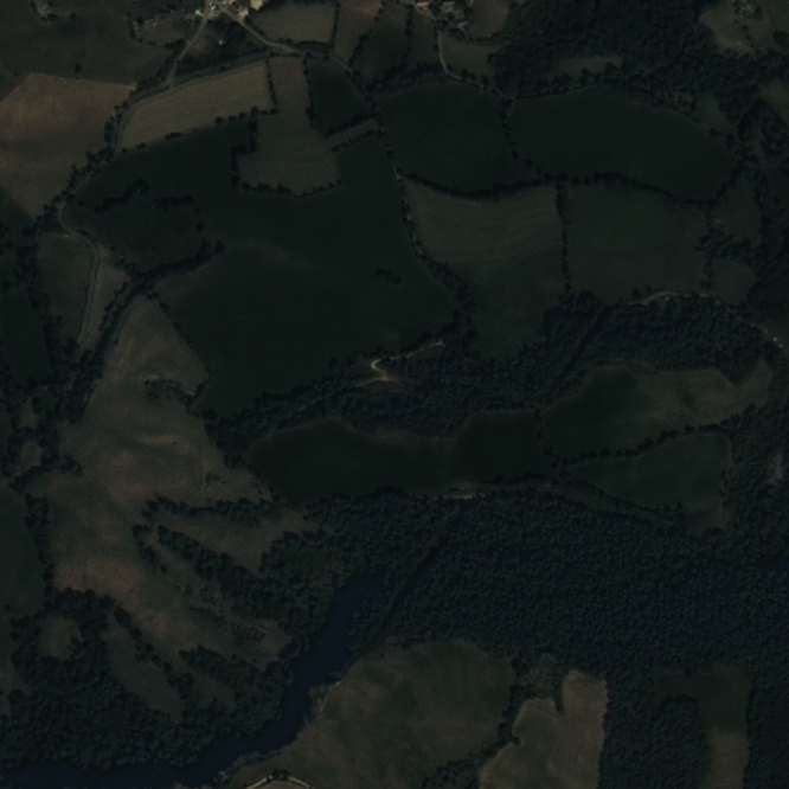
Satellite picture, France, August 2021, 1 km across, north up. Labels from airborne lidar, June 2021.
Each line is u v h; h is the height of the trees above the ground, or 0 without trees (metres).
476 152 0
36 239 19
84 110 0
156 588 0
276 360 0
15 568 0
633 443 0
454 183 0
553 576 21
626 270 0
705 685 0
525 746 0
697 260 0
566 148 0
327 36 0
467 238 0
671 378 0
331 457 0
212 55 0
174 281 0
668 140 0
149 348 0
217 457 0
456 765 7
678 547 17
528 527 12
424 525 12
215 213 0
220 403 0
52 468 11
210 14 0
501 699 0
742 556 13
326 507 7
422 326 0
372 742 0
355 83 14
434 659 0
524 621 16
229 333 0
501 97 8
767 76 19
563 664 12
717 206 12
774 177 0
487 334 0
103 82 0
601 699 0
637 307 7
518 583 10
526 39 14
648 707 15
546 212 0
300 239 0
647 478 0
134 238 0
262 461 0
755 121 20
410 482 0
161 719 6
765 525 22
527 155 0
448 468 0
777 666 13
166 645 0
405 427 9
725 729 0
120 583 0
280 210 0
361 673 0
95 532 0
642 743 13
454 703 0
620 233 0
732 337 11
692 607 16
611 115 0
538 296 0
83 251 0
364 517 13
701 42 13
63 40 0
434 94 0
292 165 0
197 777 7
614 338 13
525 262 0
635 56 13
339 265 0
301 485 0
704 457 0
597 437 0
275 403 11
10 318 0
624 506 10
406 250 0
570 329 18
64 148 0
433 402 11
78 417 8
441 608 7
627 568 21
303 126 0
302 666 10
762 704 19
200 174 0
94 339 0
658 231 0
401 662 0
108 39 0
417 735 0
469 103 0
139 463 0
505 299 0
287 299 0
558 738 0
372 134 8
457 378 16
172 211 14
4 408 7
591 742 0
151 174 0
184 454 0
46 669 18
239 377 0
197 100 0
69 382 22
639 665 14
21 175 0
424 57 0
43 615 8
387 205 0
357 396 7
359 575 6
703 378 0
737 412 0
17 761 12
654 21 24
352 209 0
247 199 0
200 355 0
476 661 0
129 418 0
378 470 0
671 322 14
